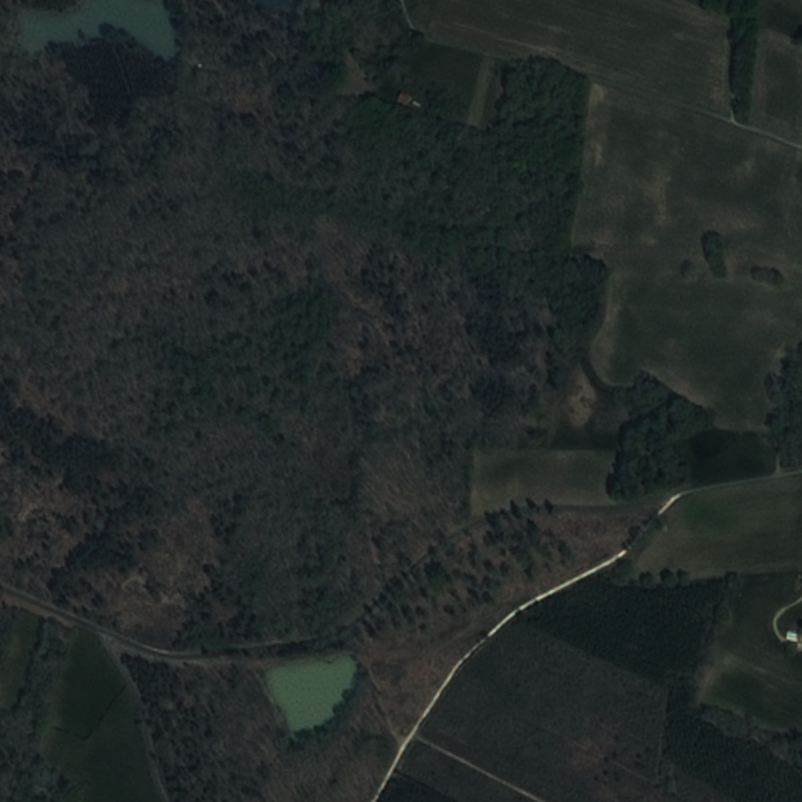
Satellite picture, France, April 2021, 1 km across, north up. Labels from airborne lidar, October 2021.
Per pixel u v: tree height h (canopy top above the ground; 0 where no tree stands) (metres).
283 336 22
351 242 18
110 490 9
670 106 0
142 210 16
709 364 0
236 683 16
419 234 22
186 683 16
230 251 16
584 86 17
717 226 0
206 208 17
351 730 19
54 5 22
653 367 0
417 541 15
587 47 0
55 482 21
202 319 11
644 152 0
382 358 10
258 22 14
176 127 20
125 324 16
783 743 17
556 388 20
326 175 15
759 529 0
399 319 14
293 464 12
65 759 0
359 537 18
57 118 9
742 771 11
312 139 11
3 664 22
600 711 11
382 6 10
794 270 0
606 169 0
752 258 0
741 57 21
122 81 12
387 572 16
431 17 0
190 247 17
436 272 9
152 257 13
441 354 10
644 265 0
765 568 0
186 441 15
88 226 12
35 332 13
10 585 19
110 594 8
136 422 12
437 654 0
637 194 0
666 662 14
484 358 14
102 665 0
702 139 0
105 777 0
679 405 23
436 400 13
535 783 7
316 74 16
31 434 26
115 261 12
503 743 8
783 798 10
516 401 18
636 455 19
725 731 16
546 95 21
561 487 0
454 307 14
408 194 20
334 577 9
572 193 14
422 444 21
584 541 0
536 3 0
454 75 0
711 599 13
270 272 13
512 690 10
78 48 8
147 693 14
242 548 13
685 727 13
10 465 18
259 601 15
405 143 14
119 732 0
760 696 0
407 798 14
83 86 12
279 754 22
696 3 16
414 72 0
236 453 11
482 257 25
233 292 21
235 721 17
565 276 19
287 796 25
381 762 22
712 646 14
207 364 20
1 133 10
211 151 16
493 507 0
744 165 0
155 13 0
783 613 0
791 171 0
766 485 0
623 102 0
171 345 15
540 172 24
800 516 0
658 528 15
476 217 23
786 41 0
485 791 6
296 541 15
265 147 11
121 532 17
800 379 24
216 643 14
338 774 22
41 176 16
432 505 24
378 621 23
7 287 18
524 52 0
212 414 23
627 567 17
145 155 14
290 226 20
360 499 20
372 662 0
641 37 0
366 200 20
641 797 6
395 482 29
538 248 19
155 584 13
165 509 13
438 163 20
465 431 14
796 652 9
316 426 17
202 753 13
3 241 10
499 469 0
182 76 24
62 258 15
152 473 24
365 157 14
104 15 0
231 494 12
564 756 9
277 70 10
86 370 14
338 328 17
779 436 13
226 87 16
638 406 9
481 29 0
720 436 0
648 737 6
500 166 24
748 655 0
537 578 22
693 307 0
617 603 12
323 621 21
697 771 9
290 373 19
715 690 0
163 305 11
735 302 0
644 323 0
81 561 22
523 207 17
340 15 17
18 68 14
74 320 11
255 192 20
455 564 21
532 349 8
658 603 13
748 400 0
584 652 10
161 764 9
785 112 0
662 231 0
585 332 22
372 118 15
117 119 10
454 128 10
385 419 21
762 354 0
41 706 15
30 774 7
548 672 11
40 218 11
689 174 0
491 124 0
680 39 0
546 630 14
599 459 0
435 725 9
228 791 18
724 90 0
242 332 14
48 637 19
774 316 0
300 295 15
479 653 13
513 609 0
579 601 8
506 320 14
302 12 19
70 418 14
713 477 0
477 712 8
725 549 0
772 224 0
